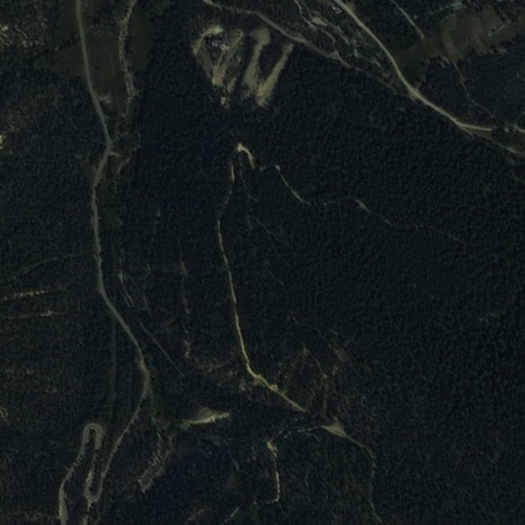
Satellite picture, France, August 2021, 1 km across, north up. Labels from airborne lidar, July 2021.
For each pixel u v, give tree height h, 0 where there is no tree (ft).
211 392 46
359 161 40
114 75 0
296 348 26
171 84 32
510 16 25
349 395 32
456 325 37
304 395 37
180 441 35
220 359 36
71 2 0
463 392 60
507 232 80
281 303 20
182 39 37
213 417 0
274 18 44
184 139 38
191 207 27
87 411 32
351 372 34
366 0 37
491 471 58
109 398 46
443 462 28
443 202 63
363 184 30
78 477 36
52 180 52
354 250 52
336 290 41
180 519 56
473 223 72
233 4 35
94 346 45
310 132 49
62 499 0
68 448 27
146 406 46
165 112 41
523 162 24
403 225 46
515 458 31
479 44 0
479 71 33
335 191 36
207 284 57
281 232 47
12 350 43
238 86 27
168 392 36
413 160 75
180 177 37
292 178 49
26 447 32
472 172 51
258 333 56
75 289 25
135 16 0
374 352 38
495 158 67
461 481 30
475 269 43
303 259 30
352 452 59
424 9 34
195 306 22
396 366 26
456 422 27
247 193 36
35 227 56
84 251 29
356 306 39
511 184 104
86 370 35
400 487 52
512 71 26
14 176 36
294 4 33
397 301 42
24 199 52
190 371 53
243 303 19
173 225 46
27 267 61
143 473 39
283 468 49
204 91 40
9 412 20
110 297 45
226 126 43
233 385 29
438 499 32
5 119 31
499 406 52
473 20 0
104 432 0
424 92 35
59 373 44
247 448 33
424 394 37
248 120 38
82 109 45
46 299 31
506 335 32
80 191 28
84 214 28
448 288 39
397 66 0
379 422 38
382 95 52
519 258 82
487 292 49
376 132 53
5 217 24
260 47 0
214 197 45
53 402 27
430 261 40
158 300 32
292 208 39
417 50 0
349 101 31
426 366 33
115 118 34
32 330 42
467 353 44
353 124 33
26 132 39
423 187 55
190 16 31
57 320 25
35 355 41
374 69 31
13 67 23
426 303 32
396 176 47
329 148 53
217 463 36
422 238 44
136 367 39
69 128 39
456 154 71
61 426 42
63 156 38
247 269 31
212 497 41
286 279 41
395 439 53
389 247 38
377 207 46
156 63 47
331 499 51
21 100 32
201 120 38
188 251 30
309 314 45
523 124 20
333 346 38
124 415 49
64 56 0
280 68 0
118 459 52
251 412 34
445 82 49
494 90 33
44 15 38
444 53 0
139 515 38
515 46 45
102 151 25
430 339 30
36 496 46
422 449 60
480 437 34
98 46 0
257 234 25
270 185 40
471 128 0
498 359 64
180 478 35
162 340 50
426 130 55
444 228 46
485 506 51
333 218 27
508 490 31
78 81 27
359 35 0
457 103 45
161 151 36
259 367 26
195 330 50
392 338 40
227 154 48
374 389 38
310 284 34
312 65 50
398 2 32
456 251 40
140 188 49
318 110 33
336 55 0
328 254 35
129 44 25
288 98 38
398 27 22
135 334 40
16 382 20
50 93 29
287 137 28
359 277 31
